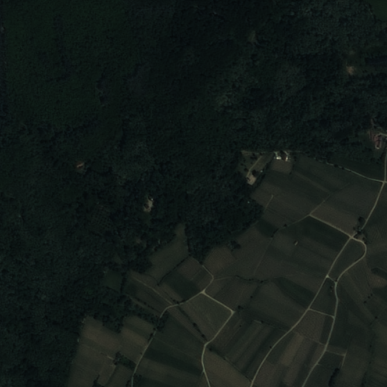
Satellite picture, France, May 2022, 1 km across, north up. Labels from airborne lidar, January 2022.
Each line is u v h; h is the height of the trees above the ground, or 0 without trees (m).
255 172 14
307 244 0
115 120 13
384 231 0
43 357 24
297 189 0
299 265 0
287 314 0
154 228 25
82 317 20
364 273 0
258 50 25
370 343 0
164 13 23
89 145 16
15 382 24
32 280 23
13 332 25
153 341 0
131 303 21
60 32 16
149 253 8
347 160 0
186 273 0
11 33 13
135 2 23
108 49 20
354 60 0
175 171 19
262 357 0
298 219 0
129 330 0
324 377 0
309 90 23
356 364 0
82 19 19
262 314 0
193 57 19
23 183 21
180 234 0
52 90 14
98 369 0
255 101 26
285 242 0
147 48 26
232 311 0
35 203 20
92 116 15
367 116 26
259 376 0
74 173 18
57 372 25
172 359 0
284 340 0
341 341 0
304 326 0
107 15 19
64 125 13
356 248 0
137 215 26
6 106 30
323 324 0
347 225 0
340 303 0
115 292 8
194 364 0
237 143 23
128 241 17
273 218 0
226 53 27
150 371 0
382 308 0
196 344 0
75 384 0
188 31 32
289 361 0
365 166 0
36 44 16
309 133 22
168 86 23
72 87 16
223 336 0
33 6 12
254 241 0
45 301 25
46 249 23
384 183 0
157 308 0
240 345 0
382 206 0
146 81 20
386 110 28
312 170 0
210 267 0
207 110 27
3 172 21
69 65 21
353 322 0
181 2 27
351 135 18
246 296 0
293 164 0
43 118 18
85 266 26
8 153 21
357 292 0
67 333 25
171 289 0
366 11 24
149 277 0
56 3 12
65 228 11
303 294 0
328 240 0
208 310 0
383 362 0
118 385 0
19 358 21
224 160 24
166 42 30
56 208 18
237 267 0
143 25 22
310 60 27
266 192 0
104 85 19
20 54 11
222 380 0
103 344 0
